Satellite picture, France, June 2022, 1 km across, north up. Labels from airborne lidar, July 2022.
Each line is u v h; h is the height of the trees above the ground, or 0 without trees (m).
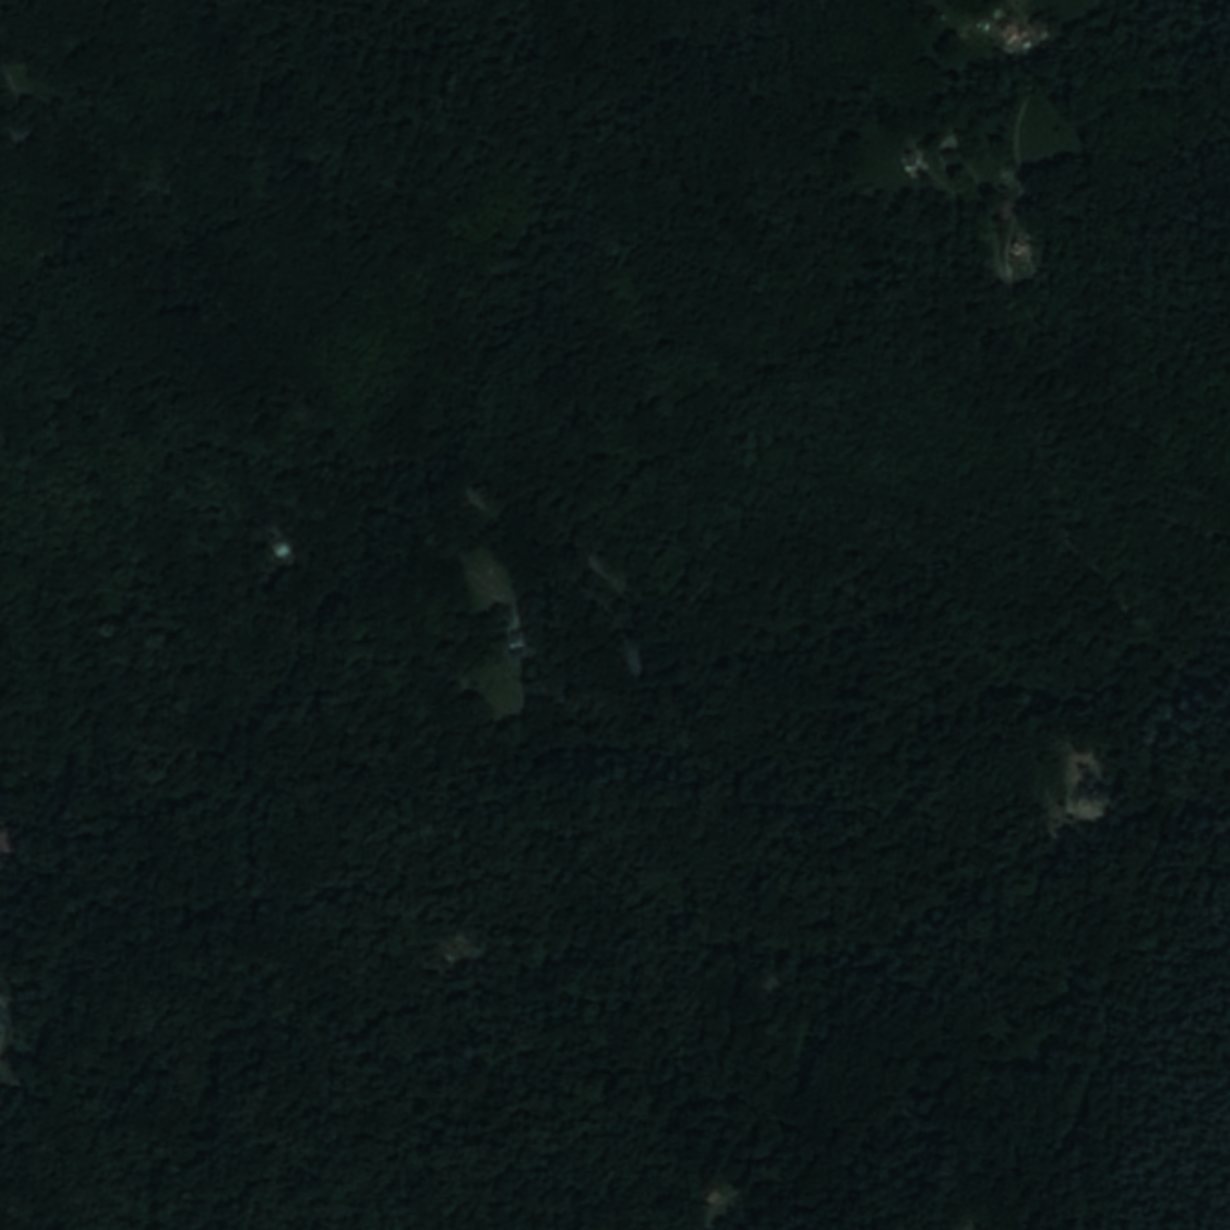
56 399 17
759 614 28
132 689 27
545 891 27
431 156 23
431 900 30
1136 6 24
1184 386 20
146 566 23
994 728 21
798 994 23
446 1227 23
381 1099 22
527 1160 26
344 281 23
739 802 24
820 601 25
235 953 25
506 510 17
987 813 16
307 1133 22
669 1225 19
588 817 23
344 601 31
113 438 20
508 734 23
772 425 19
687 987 29
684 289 20
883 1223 28
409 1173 26
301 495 22
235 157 21
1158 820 32
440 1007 31
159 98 17
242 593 24
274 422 33
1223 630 22
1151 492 22
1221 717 26
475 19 22
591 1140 23
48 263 27
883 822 19
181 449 20
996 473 20
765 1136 27
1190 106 23
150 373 27
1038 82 23
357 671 25
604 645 20
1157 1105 22
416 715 22
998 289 18
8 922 23
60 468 21
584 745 18
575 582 26
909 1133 22
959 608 24
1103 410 27
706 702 21
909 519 26
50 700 15
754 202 28
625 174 24
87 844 27
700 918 30
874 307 25
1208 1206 18
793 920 28
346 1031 26
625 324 24
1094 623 29
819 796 13
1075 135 0
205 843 21
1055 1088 30
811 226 25
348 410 14
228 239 23
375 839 20
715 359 21
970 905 32
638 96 25
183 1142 23
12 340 28
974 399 19
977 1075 36
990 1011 23
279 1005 27
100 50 21
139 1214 12
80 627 13
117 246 25
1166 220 21
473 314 27
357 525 24
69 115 23
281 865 25
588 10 26
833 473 23
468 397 15
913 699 21
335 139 23
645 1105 24
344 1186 22
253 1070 26
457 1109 28
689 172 24
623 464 26
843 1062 32
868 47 26
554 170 24
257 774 19
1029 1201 32
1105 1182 22
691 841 27
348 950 25
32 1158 23
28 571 21
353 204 23
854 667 24
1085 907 20
